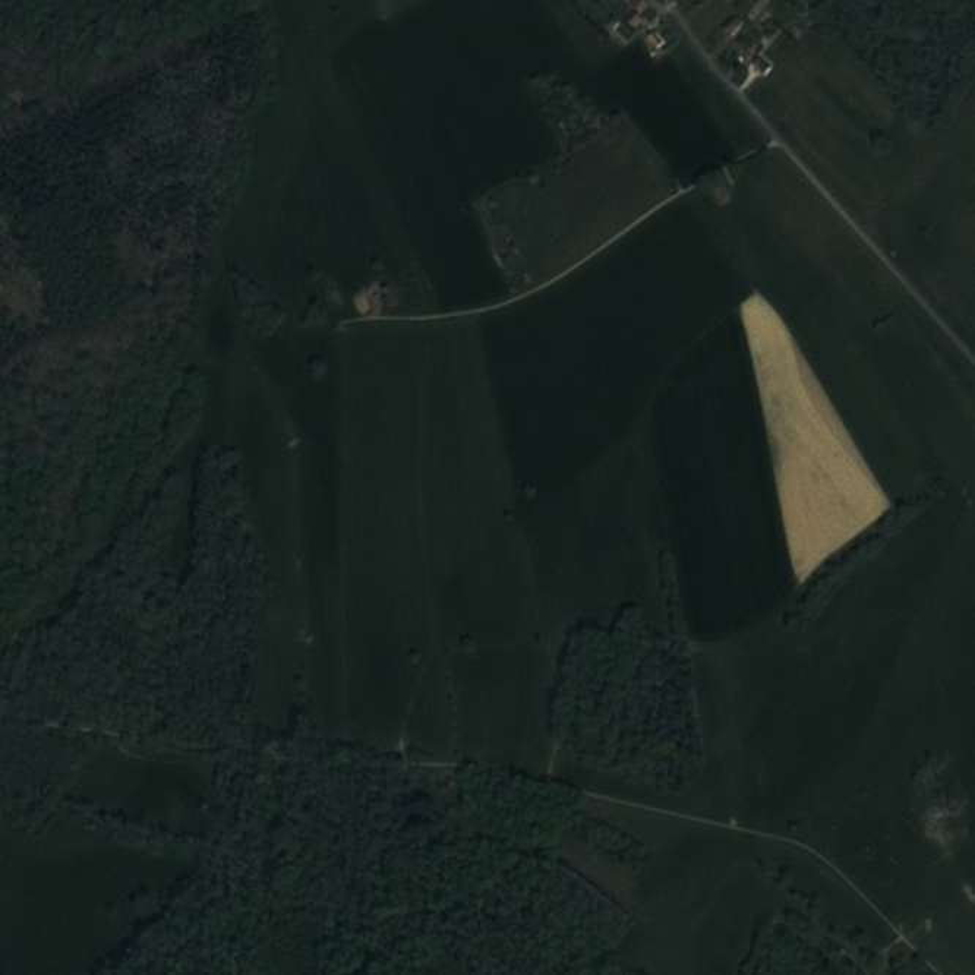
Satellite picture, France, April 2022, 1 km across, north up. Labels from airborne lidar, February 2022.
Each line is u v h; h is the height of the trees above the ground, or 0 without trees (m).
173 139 21
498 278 0
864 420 0
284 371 0
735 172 14
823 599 18
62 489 28
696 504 0
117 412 27
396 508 0
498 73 0
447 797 0
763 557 0
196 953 24
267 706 0
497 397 0
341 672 0
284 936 7
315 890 26
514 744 0
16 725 18
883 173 0
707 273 0
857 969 20
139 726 20
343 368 0
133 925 0
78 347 27
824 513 0
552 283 0
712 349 0
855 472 0
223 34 14
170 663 22
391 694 0
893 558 0
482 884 18
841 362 0
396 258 0
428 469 0
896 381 0
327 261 0
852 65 0
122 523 0
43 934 0
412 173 0
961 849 0
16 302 0
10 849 0
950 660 0
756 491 0
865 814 0
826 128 0
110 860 0
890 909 0
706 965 0
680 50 0
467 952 23
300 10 0
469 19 0
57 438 23
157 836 18
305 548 0
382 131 0
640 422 0
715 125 0
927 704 0
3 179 20
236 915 22
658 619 0
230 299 0
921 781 14
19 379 25
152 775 0
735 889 0
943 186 0
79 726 12
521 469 0
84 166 24
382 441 0
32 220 24
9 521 29
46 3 25
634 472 0
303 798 29
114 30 27
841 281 0
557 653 0
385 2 0
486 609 0
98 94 20
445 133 0
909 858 0
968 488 0
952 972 0
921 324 0
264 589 24
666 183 0
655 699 21
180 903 22
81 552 25
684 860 0
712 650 0
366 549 0
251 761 16
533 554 0
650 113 0
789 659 0
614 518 0
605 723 23
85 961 0
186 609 21
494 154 0
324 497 0
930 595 0
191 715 23
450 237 0
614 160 0
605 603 0
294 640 0
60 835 0
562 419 0
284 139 0
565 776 0
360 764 14
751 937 0
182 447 22
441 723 0
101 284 23
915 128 0
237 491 28
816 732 0
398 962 26
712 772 0
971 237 0
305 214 0
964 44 22
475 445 0
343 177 0
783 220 0
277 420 0
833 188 0
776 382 0
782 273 0
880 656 0
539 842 21
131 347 29
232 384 0
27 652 16
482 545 0
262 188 0
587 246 0
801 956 19
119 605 29
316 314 15
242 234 0
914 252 0
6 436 27
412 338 0
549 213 0
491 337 0
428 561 0
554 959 20
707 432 0
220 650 29
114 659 29
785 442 0
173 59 21
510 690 0
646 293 0
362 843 30
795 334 0
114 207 21
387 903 26
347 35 0
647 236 0
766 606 0
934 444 0
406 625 0
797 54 0
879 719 0
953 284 0
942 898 0
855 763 0
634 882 0
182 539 0
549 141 0
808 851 0
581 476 0
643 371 0
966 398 0
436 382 0
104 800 0
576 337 0
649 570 0
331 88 0
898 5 25
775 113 0
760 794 0
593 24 12
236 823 14
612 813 0
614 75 0
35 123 24
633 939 0
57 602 0
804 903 13
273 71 12
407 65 0
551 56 0
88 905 0
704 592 0
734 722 0
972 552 0
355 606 0
